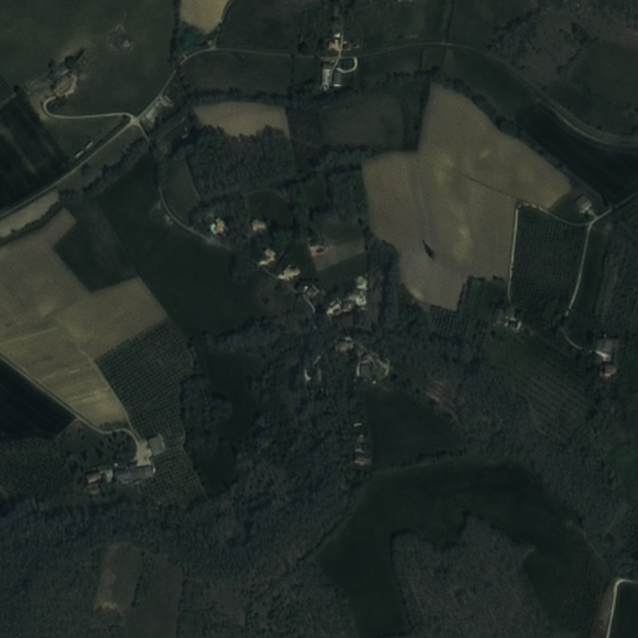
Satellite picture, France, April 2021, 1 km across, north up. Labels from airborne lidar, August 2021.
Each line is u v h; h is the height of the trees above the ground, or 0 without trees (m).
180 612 9
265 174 24
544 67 0
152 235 0
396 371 0
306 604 9
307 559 10
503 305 11
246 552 17
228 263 0
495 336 8
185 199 0
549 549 0
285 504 16
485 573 17
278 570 7
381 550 0
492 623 17
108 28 0
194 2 0
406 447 0
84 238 0
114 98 0
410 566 17
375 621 0
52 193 0
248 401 0
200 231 15
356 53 0
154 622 0
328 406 18
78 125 0
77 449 0
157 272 0
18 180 0
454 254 0
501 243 0
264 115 0
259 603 7
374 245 14
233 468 0
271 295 0
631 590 0
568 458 24
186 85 8
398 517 0
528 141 11
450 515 0
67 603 12
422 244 0
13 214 0
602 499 22
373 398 0
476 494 0
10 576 13
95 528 19
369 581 0
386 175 0
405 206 0
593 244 0
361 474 9
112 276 0
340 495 15
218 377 0
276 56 0
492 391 22
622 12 14
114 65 0
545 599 0
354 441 13
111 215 0
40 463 6
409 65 0
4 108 0
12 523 23
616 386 6
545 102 0
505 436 15
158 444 0
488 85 0
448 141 0
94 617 9
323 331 22
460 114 0
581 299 0
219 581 10
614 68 0
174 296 0
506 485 0
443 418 8
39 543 22
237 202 18
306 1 0
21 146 0
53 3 0
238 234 20
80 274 0
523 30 20
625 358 10
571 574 0
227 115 0
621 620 0
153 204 0
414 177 0
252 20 0
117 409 0
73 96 0
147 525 17
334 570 0
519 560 17
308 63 0
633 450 7
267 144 25
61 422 0
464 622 16
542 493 0
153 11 0
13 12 0
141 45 0
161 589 0
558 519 0
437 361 23
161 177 14
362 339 18
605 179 0
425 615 9
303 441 7
